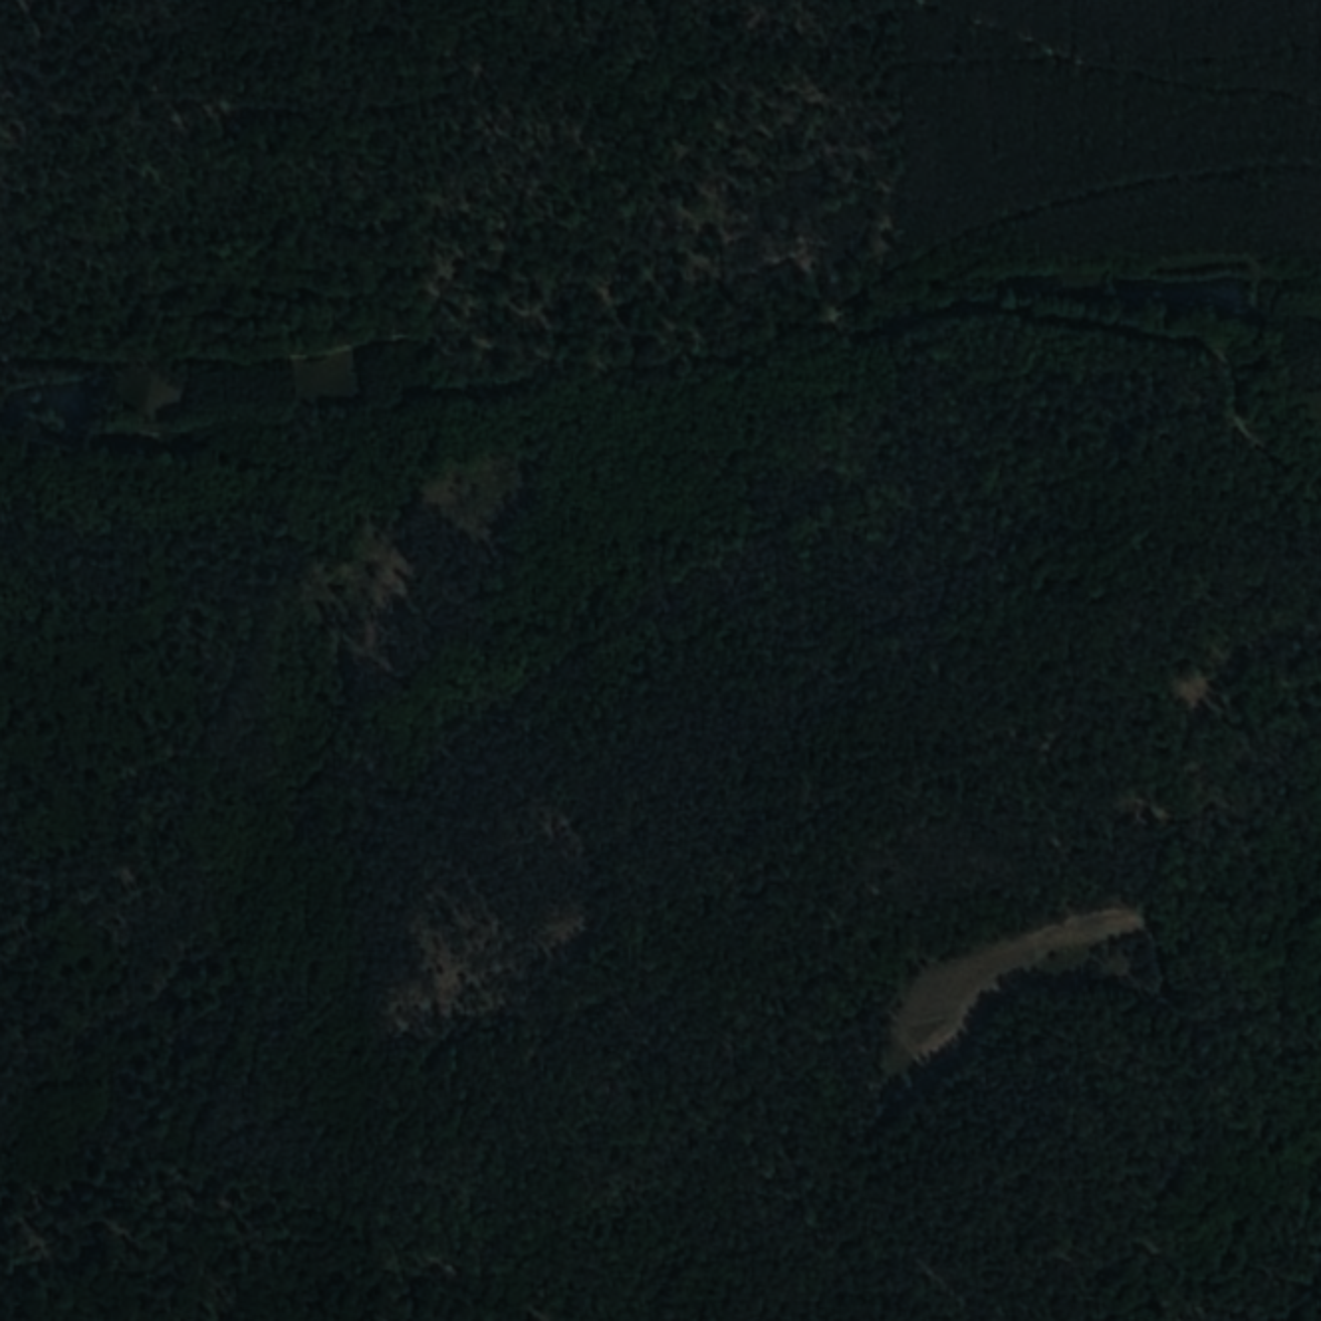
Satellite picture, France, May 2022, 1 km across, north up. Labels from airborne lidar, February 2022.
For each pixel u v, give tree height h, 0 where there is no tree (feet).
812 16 85
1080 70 44
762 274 41
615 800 74
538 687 89
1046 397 138
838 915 86
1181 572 88
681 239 105
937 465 97
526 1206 71
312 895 86
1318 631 95
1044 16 52
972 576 88
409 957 86
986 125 53
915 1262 81
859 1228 82
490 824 78
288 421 67
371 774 75
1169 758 94
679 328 105
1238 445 94
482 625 87
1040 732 84
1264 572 89
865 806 88
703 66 75
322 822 80
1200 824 102
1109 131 62
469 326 112
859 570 102
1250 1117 82
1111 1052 91
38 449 73
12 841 48
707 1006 88
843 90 96
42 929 41
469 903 77
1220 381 71
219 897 59
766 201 42
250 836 63
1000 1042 106
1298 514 92
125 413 62
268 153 78
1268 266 79
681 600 84
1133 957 25
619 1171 90
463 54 80
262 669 61
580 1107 77
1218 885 98
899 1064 0
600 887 78
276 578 79
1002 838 81
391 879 85
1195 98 54
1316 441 100
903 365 97
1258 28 56
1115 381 94
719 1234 76
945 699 76
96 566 59
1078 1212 103
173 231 61
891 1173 88
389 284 105
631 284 112
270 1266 90
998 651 86
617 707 80
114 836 46
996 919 54
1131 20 51
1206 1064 102
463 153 72
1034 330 94
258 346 81
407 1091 84
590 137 79
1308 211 69
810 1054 84
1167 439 90
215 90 91
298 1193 72
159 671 77
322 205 84
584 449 81
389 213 49
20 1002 77
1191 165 62
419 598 84
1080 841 119
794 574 86
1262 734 101
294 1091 84
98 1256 97
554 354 77
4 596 41
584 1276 89
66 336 88
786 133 35
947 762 77
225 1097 74
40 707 34
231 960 63
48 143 81
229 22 82
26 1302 102
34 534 48
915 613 86
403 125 84
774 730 93
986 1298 72
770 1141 62
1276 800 102
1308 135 59
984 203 69
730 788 92
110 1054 38
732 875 76
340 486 60
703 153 94
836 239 37
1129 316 96
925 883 88
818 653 97
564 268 107
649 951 84
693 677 84
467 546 98
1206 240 68
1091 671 97
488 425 78
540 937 78
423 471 66
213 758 75
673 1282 77
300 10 81
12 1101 85
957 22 53
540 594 80
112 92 71
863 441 84
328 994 88
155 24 83
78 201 84
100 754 47
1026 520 83
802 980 44
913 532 79
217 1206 79
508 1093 98
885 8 72
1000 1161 91
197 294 90
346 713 88
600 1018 71
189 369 49
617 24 83
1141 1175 89
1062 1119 76
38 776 45
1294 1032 109
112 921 39
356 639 85
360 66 79
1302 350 49
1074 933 0
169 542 68
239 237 100
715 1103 87
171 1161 65
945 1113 102
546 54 87
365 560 0
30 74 88
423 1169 75
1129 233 67
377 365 48
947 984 0
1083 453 95
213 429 53
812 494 67
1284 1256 92
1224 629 101
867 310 73
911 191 61
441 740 72
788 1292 82
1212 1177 103
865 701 87
